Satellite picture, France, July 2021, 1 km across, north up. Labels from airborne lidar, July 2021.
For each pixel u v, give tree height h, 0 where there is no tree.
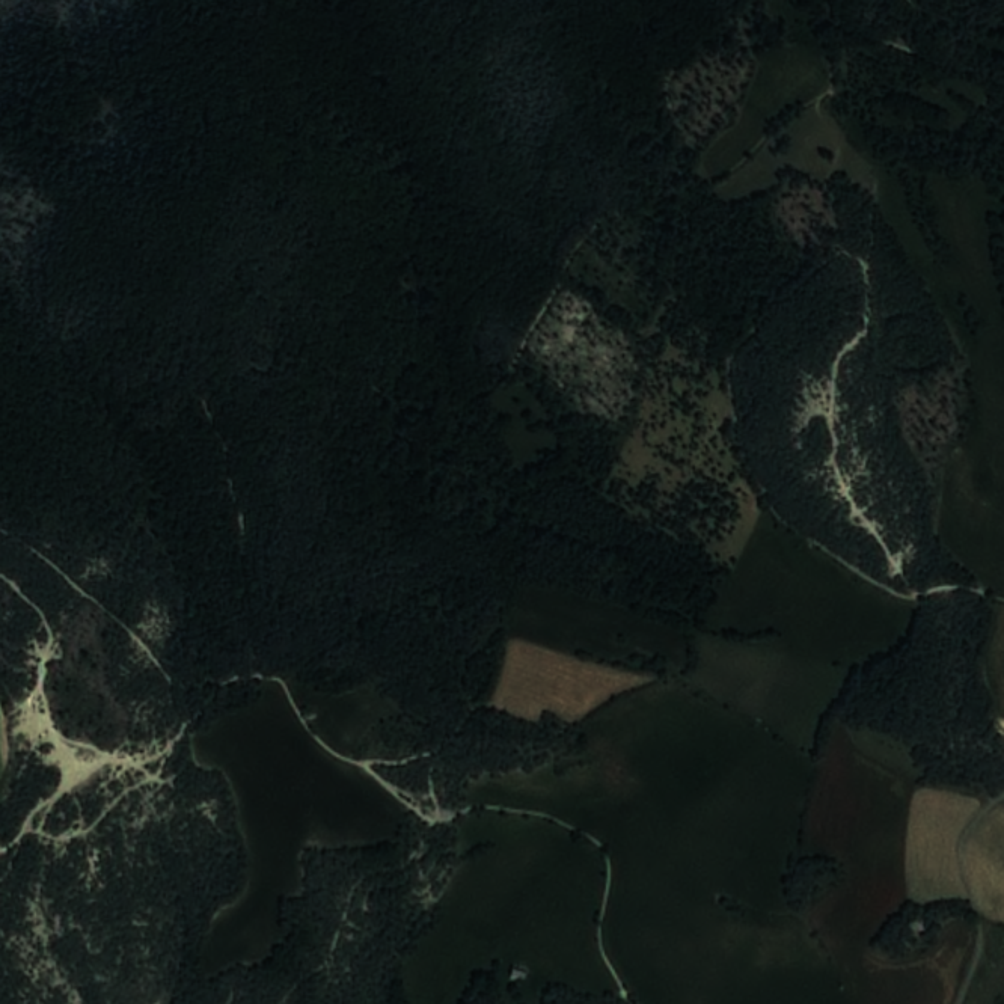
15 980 6
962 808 0
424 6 17
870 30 11
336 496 22
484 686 8
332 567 19
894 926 15
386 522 18
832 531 9
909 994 0
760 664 0
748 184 0
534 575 22
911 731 14
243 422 11
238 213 23
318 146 26
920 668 22
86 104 18
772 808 0
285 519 15
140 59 16
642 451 0
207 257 21
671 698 0
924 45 17
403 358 26
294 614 16
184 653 16
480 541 13
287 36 17
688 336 9
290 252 17
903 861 0
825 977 0
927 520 9
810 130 0
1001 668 0
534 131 8
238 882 12
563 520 10
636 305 0
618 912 0
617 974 0
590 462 6
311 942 6
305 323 16
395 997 19
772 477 11
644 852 0
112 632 9
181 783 6
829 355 6
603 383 7
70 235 17
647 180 15
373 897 10
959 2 10
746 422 11
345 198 19
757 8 12
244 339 16
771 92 0
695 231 25
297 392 17
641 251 10
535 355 10
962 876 0
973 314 11
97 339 16
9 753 0
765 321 17
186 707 9
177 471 11
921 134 10
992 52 18
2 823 9
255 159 21
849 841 0
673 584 16
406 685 10
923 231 9
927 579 9
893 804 0
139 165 18
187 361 13
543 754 9
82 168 19
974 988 0
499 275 11
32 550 6
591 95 14
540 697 0
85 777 0
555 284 8
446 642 13
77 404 16
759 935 0
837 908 0
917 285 6
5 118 16
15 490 21
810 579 0
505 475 11
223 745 0
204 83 24
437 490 20
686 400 8
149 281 20
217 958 0
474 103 13
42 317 9
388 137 20
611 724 0
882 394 9
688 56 21
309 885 7
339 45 23
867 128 9
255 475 8
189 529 13
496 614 11
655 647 0
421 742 6
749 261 15
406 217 21
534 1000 0
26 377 26
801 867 13
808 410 0
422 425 29
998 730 8
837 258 16
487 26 17
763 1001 0
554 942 0
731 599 0
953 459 0
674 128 20
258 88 20
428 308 21
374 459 25
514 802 0
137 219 22
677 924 0
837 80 9
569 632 0
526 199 10
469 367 19
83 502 13
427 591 10
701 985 0
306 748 0
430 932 9
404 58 17
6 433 23
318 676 9
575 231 16
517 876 0
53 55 9
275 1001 6
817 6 16
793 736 0
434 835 7
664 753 0
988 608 13
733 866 0
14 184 5
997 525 0
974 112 12
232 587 12
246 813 0
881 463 6
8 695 7
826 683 0
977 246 0
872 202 13
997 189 13
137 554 9
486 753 11
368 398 20
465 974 0
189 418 10
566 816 0
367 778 0
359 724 0
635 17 30
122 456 18
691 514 10
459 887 0
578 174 11
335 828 0
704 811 0
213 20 28
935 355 8
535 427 10
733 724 0
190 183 23
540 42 11
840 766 0
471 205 14
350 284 22
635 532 10
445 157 17
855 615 0
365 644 15
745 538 0
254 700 9
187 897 11
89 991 6
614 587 18
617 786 0
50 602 7
